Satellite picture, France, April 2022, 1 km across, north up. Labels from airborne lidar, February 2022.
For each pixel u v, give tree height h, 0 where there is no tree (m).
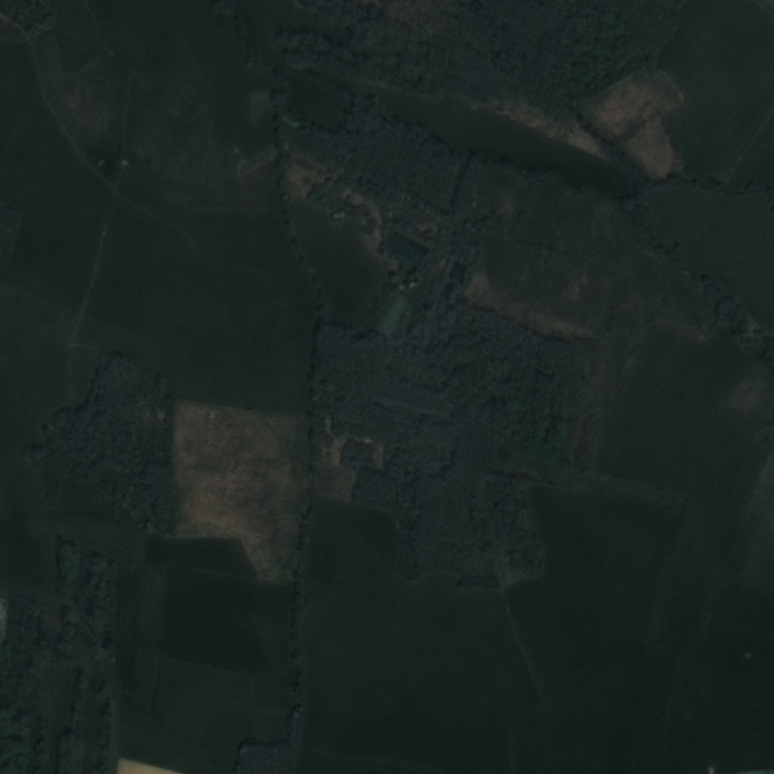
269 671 0
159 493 25
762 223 0
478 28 22
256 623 0
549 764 0
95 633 0
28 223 0
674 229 0
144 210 0
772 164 0
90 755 0
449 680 0
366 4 0
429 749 0
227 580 0
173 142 0
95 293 0
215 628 0
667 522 0
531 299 0
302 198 0
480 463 25
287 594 0
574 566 0
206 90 0
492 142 0
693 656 0
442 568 17
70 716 0
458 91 22
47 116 0
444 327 15
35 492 0
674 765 0
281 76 18
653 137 0
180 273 0
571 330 0
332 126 0
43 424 0
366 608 0
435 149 23
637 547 0
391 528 0
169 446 7
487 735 0
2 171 0
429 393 18
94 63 0
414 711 0
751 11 0
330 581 0
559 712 0
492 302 0
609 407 0
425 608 0
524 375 21
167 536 0
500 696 0
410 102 0
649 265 0
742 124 0
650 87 0
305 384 0
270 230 0
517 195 0
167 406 8
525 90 18
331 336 24
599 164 0
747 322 8
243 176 0
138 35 0
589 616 0
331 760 0
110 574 18
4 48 0
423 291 11
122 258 0
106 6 0
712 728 0
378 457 0
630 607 0
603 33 25
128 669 0
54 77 0
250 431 0
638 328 0
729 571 0
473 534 23
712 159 0
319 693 0
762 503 0
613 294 0
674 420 0
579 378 21
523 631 0
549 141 0
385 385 23
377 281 0
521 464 0
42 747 15
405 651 0
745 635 0
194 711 0
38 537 0
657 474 0
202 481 0
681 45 0
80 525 0
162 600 0
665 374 0
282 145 15
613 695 0
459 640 0
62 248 0
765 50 0
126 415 22
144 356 0
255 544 0
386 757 0
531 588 0
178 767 0
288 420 0
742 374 0
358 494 15
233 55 0
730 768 0
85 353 0
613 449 0
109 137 0
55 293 0
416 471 6
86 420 25
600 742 0
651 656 0
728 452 0
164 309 0
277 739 0
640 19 22
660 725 0
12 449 0
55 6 7
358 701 0
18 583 0
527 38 26
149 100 0
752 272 0
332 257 0
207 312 0
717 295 20
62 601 19
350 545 0
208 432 0
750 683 0
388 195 22
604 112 0
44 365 0
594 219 0
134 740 0
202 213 0
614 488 0
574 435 0
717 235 0
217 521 0
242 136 0
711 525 0
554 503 0
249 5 0
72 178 0
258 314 0
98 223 0
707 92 0
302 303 0
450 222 15
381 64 27
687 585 0
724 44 0
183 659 0
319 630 0
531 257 0
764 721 0
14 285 0
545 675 0
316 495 10
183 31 0
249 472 0
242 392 0
